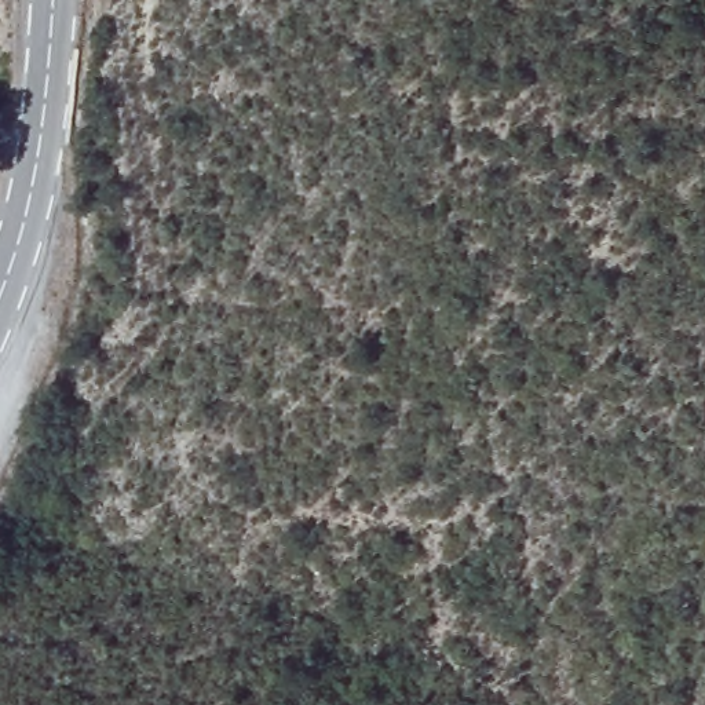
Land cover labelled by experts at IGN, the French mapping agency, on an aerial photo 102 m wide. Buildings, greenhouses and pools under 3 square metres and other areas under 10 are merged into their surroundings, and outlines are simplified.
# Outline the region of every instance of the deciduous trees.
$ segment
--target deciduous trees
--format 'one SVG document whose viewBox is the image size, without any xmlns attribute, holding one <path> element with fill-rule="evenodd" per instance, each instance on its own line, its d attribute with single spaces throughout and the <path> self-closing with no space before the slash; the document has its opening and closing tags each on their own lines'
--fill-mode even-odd
<svg viewBox="0 0 705 705">
<path fill-rule="evenodd" d="M 50 540 L 36 526 L 36 518 L 14 520 L 0 507 L 0 606 L 14 603 L 17 595 L 28 595 L 36 587 L 33 576 L 44 576 L 41 545 Z"/>
</svg>

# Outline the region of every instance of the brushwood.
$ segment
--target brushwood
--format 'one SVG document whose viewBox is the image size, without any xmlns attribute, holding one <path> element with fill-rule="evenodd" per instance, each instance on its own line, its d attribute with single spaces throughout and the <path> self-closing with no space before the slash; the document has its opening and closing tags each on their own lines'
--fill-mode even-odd
<svg viewBox="0 0 705 705">
<path fill-rule="evenodd" d="M 36 526 L 50 540 L 41 545 L 44 576 L 33 576 L 36 587 L 28 595 L 17 595 L 14 603 L 0 606 L 0 705 L 705 705 L 705 0 L 110 0 L 116 3 L 116 11 L 96 22 L 91 44 L 85 44 L 85 50 L 77 52 L 69 149 L 74 160 L 77 190 L 72 201 L 63 201 L 63 204 L 66 212 L 74 212 L 74 273 L 69 281 L 69 295 L 61 308 L 58 341 L 47 361 L 41 366 L 39 383 L 33 386 L 19 413 L 17 443 L 0 476 L 0 507 L 14 520 L 36 518 Z"/>
<path fill-rule="evenodd" d="M 0 50 L 0 138 L 6 118 L 19 116 L 19 88 L 11 88 L 11 77 L 11 55 Z"/>
</svg>

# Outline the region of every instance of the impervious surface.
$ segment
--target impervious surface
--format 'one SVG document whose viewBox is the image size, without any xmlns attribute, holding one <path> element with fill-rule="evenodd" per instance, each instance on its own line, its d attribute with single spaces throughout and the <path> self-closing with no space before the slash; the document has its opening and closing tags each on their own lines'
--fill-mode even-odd
<svg viewBox="0 0 705 705">
<path fill-rule="evenodd" d="M 50 319 L 41 314 L 41 300 L 52 270 L 52 251 L 58 245 L 58 226 L 52 226 L 50 220 L 52 209 L 63 204 L 63 201 L 61 171 L 69 149 L 77 52 L 80 0 L 25 0 L 25 36 L 33 36 L 33 47 L 30 52 L 22 52 L 22 66 L 11 77 L 11 88 L 19 88 L 19 116 L 6 118 L 0 138 L 0 476 L 17 443 L 19 413 L 33 386 L 39 383 L 41 366 L 47 361 L 36 353 L 33 330 L 41 330 L 44 336 L 52 333 Z"/>
</svg>

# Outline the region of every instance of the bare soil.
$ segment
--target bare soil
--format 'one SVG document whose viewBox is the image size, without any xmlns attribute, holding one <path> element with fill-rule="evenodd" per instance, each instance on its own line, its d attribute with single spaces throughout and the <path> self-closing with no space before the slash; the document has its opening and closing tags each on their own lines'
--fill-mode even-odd
<svg viewBox="0 0 705 705">
<path fill-rule="evenodd" d="M 22 66 L 22 52 L 30 52 L 33 47 L 33 36 L 25 36 L 25 0 L 0 0 L 0 50 L 11 55 L 11 77 Z"/>
<path fill-rule="evenodd" d="M 91 44 L 96 22 L 116 11 L 116 3 L 110 0 L 80 0 L 77 52 L 85 50 L 85 44 Z"/>
<path fill-rule="evenodd" d="M 69 149 L 61 171 L 63 201 L 72 201 L 77 190 L 74 160 Z"/>
<path fill-rule="evenodd" d="M 41 300 L 41 314 L 50 319 L 52 333 L 44 336 L 41 330 L 33 330 L 36 353 L 47 361 L 58 341 L 61 308 L 69 295 L 69 281 L 74 273 L 74 212 L 66 212 L 63 204 L 52 209 L 50 220 L 52 226 L 58 226 L 58 245 L 52 251 L 52 270 Z"/>
</svg>

